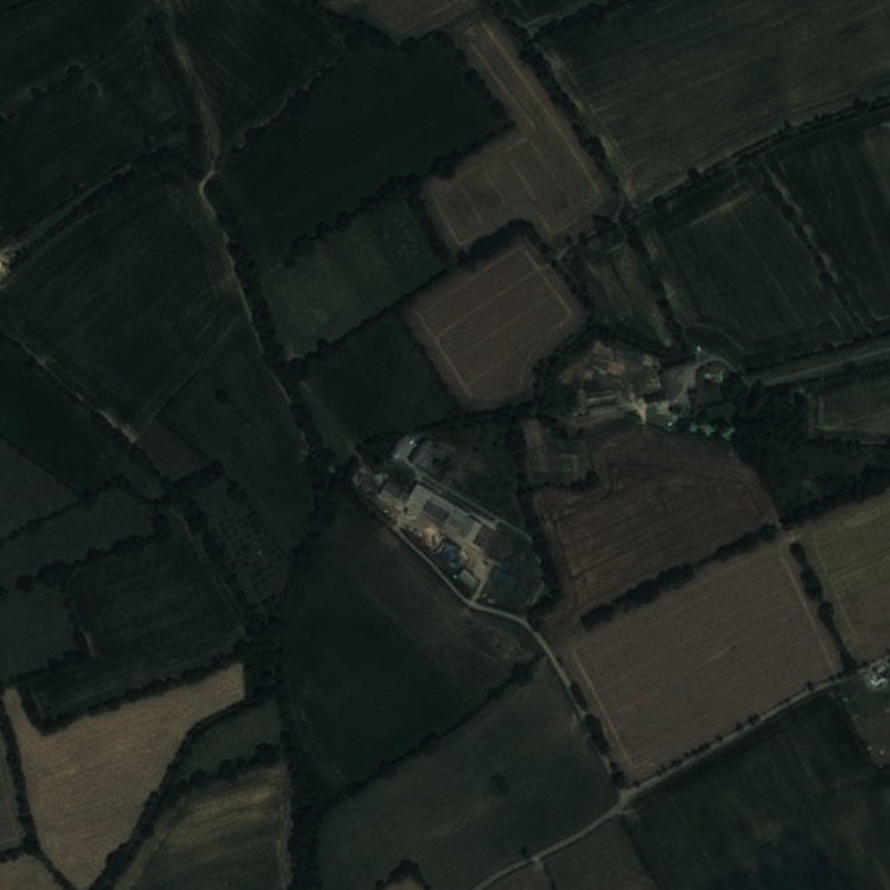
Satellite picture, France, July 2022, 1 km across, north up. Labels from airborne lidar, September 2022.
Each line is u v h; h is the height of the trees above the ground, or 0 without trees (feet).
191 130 21
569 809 0
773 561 0
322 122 0
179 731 0
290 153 0
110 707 26
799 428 70
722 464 0
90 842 0
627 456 0
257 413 0
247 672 29
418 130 0
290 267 39
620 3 39
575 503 0
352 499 32
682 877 0
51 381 22
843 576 0
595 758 0
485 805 0
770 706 0
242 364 0
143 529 0
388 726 0
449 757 0
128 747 0
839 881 0
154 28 31
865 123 0
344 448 0
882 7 0
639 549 0
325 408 0
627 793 0
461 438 0
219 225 39
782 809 0
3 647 0
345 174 0
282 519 0
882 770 19
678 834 0
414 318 0
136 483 0
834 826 0
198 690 0
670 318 31
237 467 0
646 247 45
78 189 46
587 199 0
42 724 33
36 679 34
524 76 0
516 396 0
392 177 0
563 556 0
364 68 0
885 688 0
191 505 49
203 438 0
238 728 0
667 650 0
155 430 0
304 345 0
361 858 0
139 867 0
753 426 83
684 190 30
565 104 47
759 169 24
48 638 0
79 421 0
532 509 43
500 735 0
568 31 53
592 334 37
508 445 51
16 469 0
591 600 0
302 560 31
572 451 0
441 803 0
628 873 0
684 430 40
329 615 0
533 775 0
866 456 0
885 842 0
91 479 0
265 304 35
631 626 0
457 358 0
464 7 0
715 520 0
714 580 0
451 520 0
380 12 0
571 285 28
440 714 0
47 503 0
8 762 30
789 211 49
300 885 53
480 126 0
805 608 0
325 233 55
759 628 0
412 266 0
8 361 0
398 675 0
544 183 0
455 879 0
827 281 50
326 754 0
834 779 0
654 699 0
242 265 45
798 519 59
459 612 0
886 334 29
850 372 73
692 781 0
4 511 0
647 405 0
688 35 0
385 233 0
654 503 0
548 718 0
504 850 0
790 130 50
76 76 43
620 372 0
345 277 0
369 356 0
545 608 50
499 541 0
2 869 0
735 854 0
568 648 0
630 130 0
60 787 0
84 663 56
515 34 41
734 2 0
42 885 0
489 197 0
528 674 56
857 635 0
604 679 0
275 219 0
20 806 29
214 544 49
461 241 0
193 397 0
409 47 41
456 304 0
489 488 0
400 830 0
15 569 0
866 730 0
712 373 0
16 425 0
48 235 20
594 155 34
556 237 0
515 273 0
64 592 20
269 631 58
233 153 36
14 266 34
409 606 0
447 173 48
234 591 33
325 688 0
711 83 0
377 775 19
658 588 44
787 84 0
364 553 0
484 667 0
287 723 24
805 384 34
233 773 68
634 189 0
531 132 0
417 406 0
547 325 0
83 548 0
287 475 0
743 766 0
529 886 0
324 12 21
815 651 0
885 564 0
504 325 0
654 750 0
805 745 0
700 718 0
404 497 0
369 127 0
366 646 0
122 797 0
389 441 22
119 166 20
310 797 37
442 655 0
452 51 23
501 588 0
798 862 0
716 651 0
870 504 0
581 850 0
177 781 24
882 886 0
